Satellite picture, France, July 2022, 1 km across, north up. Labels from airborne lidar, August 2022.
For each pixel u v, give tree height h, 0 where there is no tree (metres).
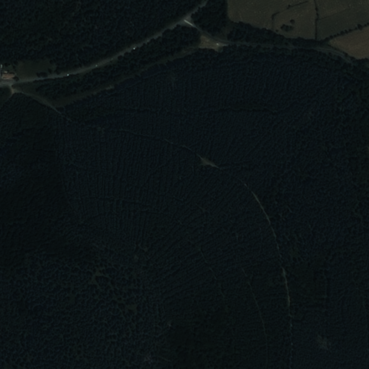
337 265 27
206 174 16
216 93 25
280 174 22
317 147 29
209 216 15
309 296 11
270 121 14
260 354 13
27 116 13
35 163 30
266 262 15
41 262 19
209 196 16
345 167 27
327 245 22
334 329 24
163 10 27
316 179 28
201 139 24
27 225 18
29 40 8
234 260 16
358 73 20
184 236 16
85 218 14
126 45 19
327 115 25
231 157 23
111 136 17
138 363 13
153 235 11
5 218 15
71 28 8
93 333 17
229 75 28
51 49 20
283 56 15
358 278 15
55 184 16
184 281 17
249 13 0
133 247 12
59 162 19
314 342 22
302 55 6
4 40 9
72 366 13
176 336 20
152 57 23
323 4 0
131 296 12
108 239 15
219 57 17
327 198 30
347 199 29
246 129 24
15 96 7
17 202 22
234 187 18
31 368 18
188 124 24
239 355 11
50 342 9
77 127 16
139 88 23
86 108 8
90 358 15
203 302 14
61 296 14
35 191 13
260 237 17
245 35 12
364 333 26
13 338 9
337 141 29
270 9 0
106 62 0
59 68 14
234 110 21
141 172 18
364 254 23
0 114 9
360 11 0
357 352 22
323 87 24
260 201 13
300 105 23
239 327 12
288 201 30
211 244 16
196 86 23
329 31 0
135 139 21
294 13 0
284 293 12
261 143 20
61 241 16
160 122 20
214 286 11
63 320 16
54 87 11
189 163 18
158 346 6
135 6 28
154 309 19
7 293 13
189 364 20
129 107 7
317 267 12
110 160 16
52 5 8
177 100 23
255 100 24
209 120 22
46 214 17
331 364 23
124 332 15
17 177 29
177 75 22
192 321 7
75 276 8
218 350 9
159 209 14
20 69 0
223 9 18
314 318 20
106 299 19
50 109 12
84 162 17
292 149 13
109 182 18
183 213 16
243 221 19
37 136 22
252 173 22
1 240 19
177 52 6
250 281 14
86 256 17
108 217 15
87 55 25
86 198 18
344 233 21
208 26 19
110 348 16
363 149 13
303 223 28
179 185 19
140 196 17
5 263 17
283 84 28
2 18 19
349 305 34
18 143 17
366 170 19
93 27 23
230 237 20
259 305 14
